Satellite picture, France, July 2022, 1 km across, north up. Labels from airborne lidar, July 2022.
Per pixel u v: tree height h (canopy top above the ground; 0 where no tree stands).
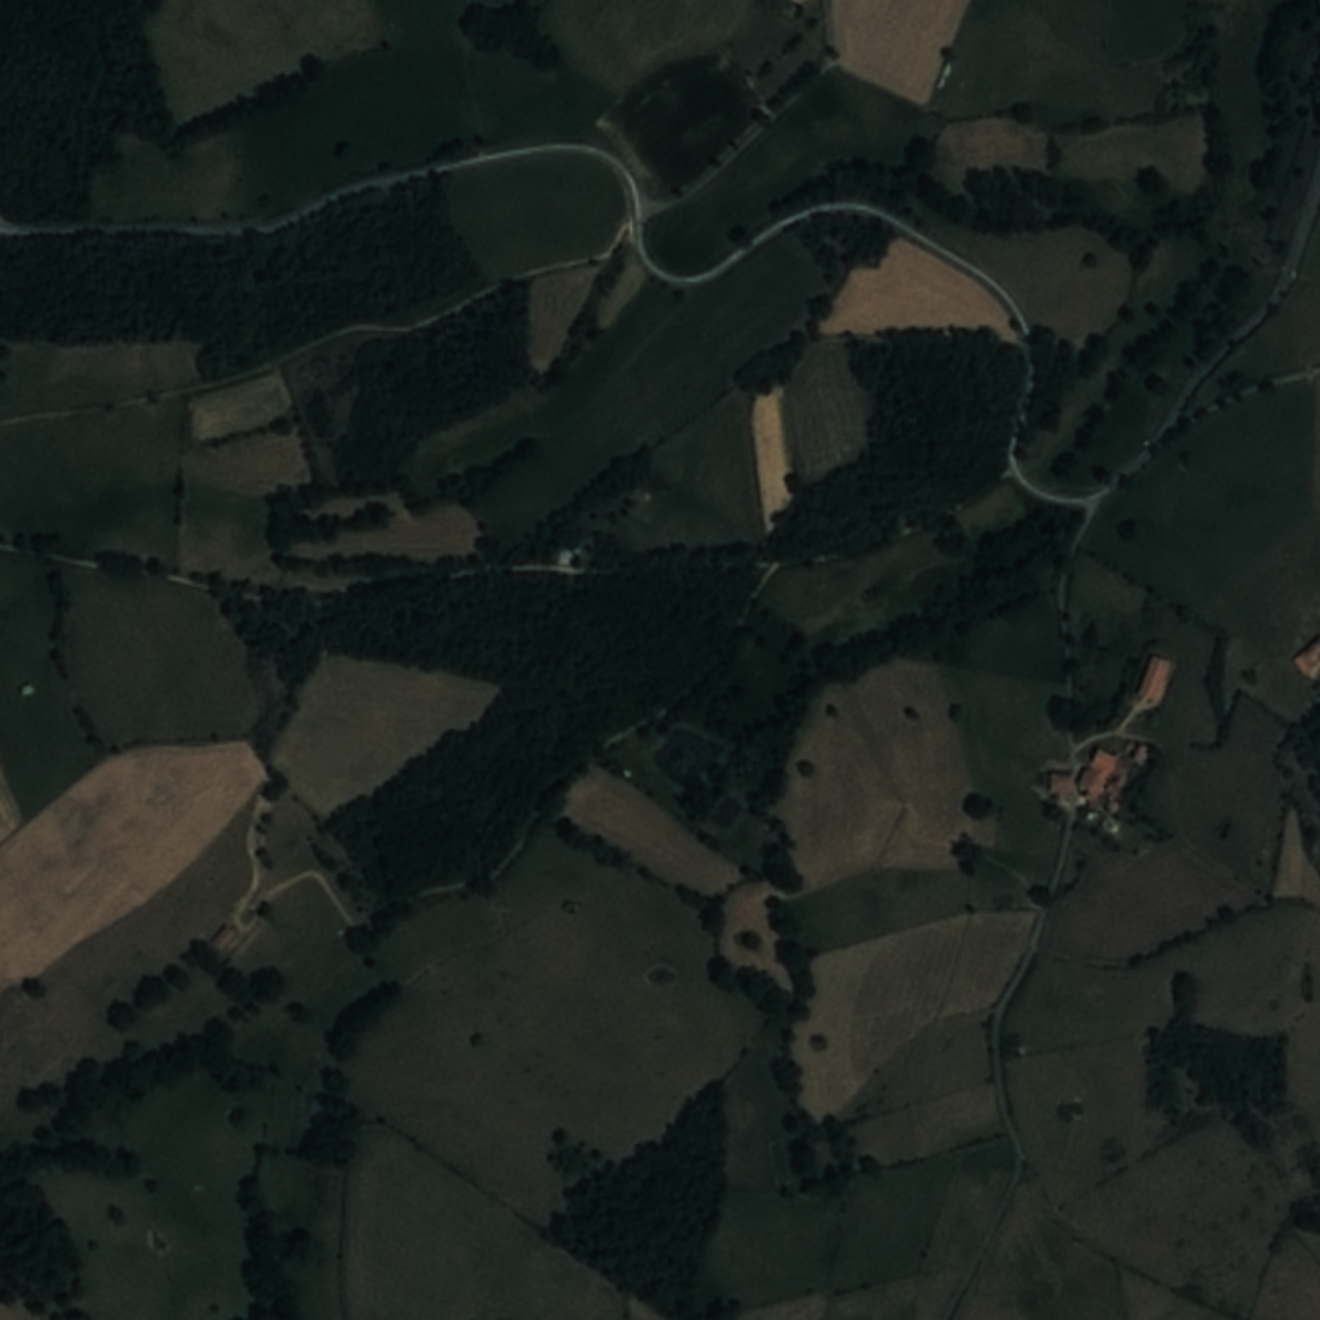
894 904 0
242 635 12
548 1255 0
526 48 7
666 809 0
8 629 0
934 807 0
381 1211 0
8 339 8
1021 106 8
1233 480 0
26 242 8
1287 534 0
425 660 17
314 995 0
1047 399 14
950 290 0
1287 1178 0
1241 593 0
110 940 0
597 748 16
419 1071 0
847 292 0
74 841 0
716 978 18
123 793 0
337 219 8
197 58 0
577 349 10
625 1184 19
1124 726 0
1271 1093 6
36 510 0
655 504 0
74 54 18
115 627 0
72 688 0
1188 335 0
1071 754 0
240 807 0
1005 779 0
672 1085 0
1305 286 0
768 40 0
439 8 0
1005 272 0
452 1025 0
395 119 0
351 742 0
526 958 0
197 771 0
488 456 0
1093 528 0
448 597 10
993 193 27
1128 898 0
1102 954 0
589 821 0
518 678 11
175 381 0
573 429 0
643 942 0
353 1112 17
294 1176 0
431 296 8
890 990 0
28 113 14
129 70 24
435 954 0
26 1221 9
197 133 15
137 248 18
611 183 0
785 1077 16
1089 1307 0
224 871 0
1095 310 0
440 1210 0
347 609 16
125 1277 0
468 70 0
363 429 8
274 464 0
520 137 0
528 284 6
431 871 14
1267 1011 0
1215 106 8
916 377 15
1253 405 0
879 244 12
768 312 0
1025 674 0
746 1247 0
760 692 0
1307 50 0
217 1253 0
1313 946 0
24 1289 12
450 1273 0
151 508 0
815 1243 0
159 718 0
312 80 18
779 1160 0
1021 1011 0
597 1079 0
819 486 10
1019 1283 0
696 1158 18
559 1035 0
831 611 0
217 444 7
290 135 0
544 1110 0
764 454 0
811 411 0
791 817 0
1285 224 0
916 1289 0
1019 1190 0
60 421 0
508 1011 0
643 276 0
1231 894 0
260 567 0
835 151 0
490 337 20
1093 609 0
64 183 13
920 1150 0
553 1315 0
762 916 0
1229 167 22
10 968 0
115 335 9
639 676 15
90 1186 0
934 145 17
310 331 7
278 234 7
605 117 0
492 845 9
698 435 0
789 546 17
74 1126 21
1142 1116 0
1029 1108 0
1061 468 15
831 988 0
